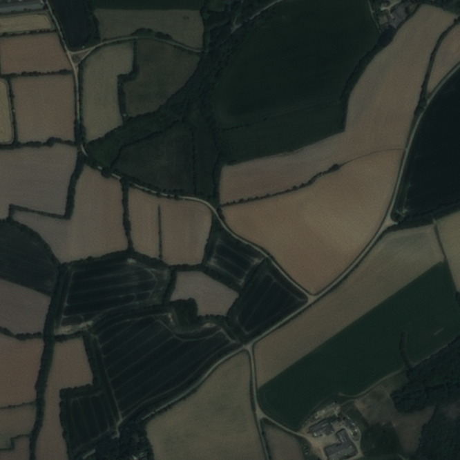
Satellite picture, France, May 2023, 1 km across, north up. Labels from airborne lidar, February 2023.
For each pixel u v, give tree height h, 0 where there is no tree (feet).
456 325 0
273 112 0
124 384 0
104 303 0
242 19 21
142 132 0
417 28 0
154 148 0
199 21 0
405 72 0
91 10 42
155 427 0
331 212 0
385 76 0
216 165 23
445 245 0
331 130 0
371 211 0
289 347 0
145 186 27
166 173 0
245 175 0
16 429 0
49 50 0
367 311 0
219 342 0
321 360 0
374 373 0
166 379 0
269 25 0
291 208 0
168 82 0
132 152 0
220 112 0
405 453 0
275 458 0
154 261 23
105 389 0
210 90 35
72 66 0
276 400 0
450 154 0
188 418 0
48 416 0
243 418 0
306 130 0
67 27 0
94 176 0
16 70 0
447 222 0
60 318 0
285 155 0
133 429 73
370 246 0
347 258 0
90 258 27
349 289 0
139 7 0
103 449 86
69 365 0
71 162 0
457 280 0
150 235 0
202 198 27
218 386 0
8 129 0
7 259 0
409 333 0
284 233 0
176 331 0
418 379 62
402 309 0
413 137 0
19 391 0
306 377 0
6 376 0
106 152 0
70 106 0
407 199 0
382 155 0
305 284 0
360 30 0
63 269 31
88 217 0
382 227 0
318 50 0
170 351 0
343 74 0
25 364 0
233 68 0
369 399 0
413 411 27
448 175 0
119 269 0
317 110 0
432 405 21
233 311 18
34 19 0
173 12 0
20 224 31
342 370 0
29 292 0
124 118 24
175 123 31
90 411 0
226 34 65
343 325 0
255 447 0
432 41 0
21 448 0
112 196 0
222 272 0
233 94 0
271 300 0
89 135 0
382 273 0
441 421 22
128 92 0
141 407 0
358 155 0
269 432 0
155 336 0
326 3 0
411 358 0
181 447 0
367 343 0
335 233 0
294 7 0
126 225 40
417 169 0
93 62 0
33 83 0
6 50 0
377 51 34
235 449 0
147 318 0
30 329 0
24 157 0
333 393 0
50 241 0
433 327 0
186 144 0
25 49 0
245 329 0
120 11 0
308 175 0
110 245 0
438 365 68
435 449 52
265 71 0
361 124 0
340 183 0
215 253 0
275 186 0
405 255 0
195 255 0
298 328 0
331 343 0
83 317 0
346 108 19
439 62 0
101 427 0
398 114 0
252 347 0
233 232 0
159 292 0
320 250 0
